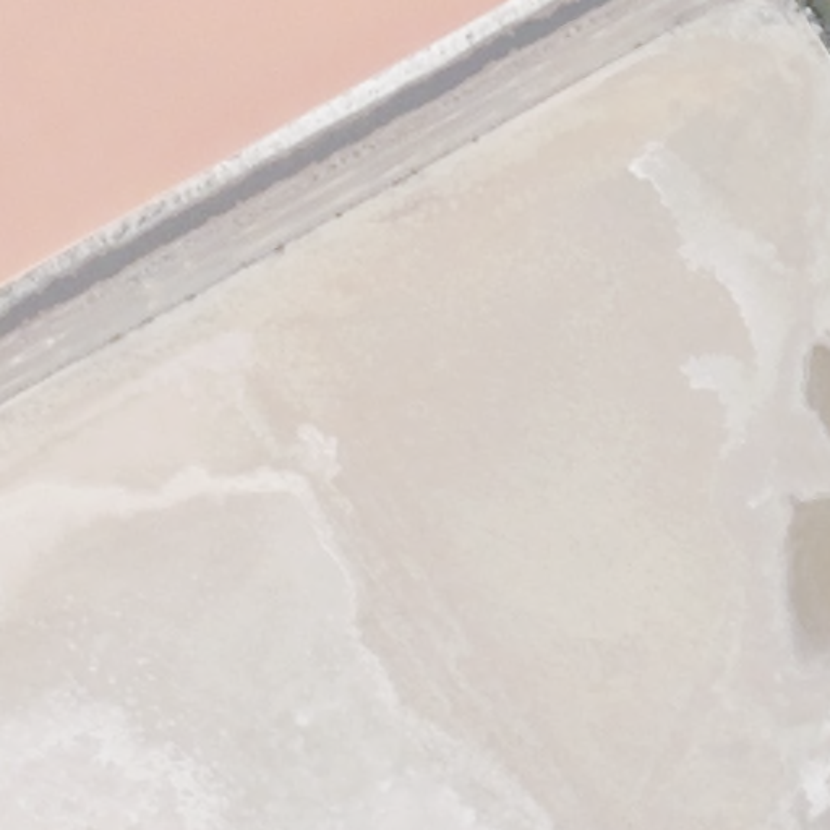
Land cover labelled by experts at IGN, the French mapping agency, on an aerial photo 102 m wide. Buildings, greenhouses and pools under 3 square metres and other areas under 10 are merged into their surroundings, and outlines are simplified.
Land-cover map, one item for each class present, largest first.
<instances>
[{"label":"pervious surface","instance_id":"1","mask_svg":"<svg viewBox=\"0 0 830 830\"><path fill-rule=\"evenodd\" d=\"M551 0H503L499 6L473 16L470 23L434 39L431 45L399 58L386 71L340 91L337 97L311 107L292 123L246 143L227 159H217L214 165H204L195 175L162 191H152L126 211H117L110 220L62 240L49 253L26 263L29 276L0 289V311L19 302L26 292L45 285L52 276L68 272L71 266L84 263L88 256L107 246L133 240L139 230H149L162 217L182 211L185 204L217 191L224 182L298 146L318 130L383 101L402 84L447 65L470 45L506 29L509 23L525 19ZM0 830H830V49L820 39V26L804 10V0H610L590 10L587 16L567 23L564 29L551 32L548 39H538L535 45H525L493 62L477 78L392 120L363 143L347 146L321 165H311L302 175L272 185L259 198L227 211L224 217H214L211 224L185 233L182 240L156 250L152 256L126 266L120 276L88 289L84 295L52 308L49 314L29 321L26 327L0 340Z\"/></svg>","mask_w":830,"mask_h":830},{"label":"water","instance_id":"2","mask_svg":"<svg viewBox=\"0 0 830 830\"><path fill-rule=\"evenodd\" d=\"M503 0H0V289L29 276L26 263L49 253L62 240L110 220L117 211H126L152 191H162L195 175L204 165H214L217 159H227L246 143L292 123L311 107L337 97L340 91L386 71L399 58L431 45L434 39L470 23L473 16L499 6ZM610 0H551L525 19L509 23L506 29L470 45L447 65L402 84L383 101L318 130L298 146L224 182L217 191L185 204L182 211L162 217L149 230H139L133 240L107 246L88 256L84 263L71 266L68 272L52 276L45 285L26 292L19 302L0 311V340L26 327L29 321L49 314L52 308L84 295L88 289L120 276L126 266L152 256L156 250L182 240L185 233L211 224L214 217H224L227 211L259 198L272 185L302 175L311 165H321L347 146L363 143L392 120L477 78L493 62L525 45H535L538 39H548L551 32L564 29L567 23L587 16L590 10ZM804 10L820 26V39L830 49V0H804Z\"/></svg>","mask_w":830,"mask_h":830}]
</instances>
